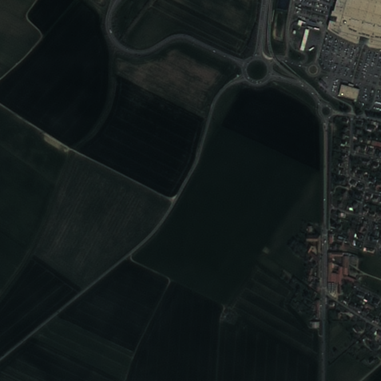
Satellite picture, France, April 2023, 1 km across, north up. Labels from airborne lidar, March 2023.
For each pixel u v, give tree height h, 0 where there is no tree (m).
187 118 0
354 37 0
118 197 0
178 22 0
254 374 0
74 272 0
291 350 0
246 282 0
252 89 0
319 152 0
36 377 0
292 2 0
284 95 0
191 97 0
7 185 0
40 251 0
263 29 0
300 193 0
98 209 0
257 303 0
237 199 0
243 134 0
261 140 0
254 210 0
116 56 0
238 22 0
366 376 0
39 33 0
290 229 0
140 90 0
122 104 0
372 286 0
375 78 0
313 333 0
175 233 0
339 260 0
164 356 0
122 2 0
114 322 0
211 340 0
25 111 0
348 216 0
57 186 0
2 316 0
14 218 0
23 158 0
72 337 0
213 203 0
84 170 0
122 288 0
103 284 0
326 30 0
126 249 0
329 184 0
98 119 0
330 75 0
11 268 0
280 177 0
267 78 0
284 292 0
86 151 0
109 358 0
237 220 0
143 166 0
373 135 8
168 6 0
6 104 0
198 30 0
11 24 0
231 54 0
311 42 0
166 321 0
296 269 0
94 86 0
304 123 0
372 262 0
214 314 0
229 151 0
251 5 0
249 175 0
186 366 0
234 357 0
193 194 0
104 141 0
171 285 0
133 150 0
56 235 0
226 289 0
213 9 0
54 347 0
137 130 0
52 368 0
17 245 0
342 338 0
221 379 0
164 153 0
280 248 0
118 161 0
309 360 0
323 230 0
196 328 0
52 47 0
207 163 0
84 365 0
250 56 0
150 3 0
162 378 0
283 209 0
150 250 0
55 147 0
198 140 0
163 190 0
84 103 0
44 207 0
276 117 0
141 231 0
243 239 0
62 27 0
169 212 0
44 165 0
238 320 0
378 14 0
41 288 0
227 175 0
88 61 0
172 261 0
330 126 0
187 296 0
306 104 0
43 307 0
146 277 0
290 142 0
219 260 0
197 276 0
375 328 0
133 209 0
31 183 0
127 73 0
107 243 0
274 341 0
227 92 0
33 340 0
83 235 0
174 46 0
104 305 0
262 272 0
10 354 0
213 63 0
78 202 0
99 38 0
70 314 0
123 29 0
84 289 0
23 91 0
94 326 0
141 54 0
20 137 0
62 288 0
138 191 0
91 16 0
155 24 0
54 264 0
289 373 0
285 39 0
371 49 0
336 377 0
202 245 0
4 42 0
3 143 0
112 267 0
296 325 0
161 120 0
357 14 0
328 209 0
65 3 0
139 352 0
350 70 0
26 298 0
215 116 0
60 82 0
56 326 0
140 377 0
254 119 0
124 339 0
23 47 0
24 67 0
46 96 0
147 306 0
